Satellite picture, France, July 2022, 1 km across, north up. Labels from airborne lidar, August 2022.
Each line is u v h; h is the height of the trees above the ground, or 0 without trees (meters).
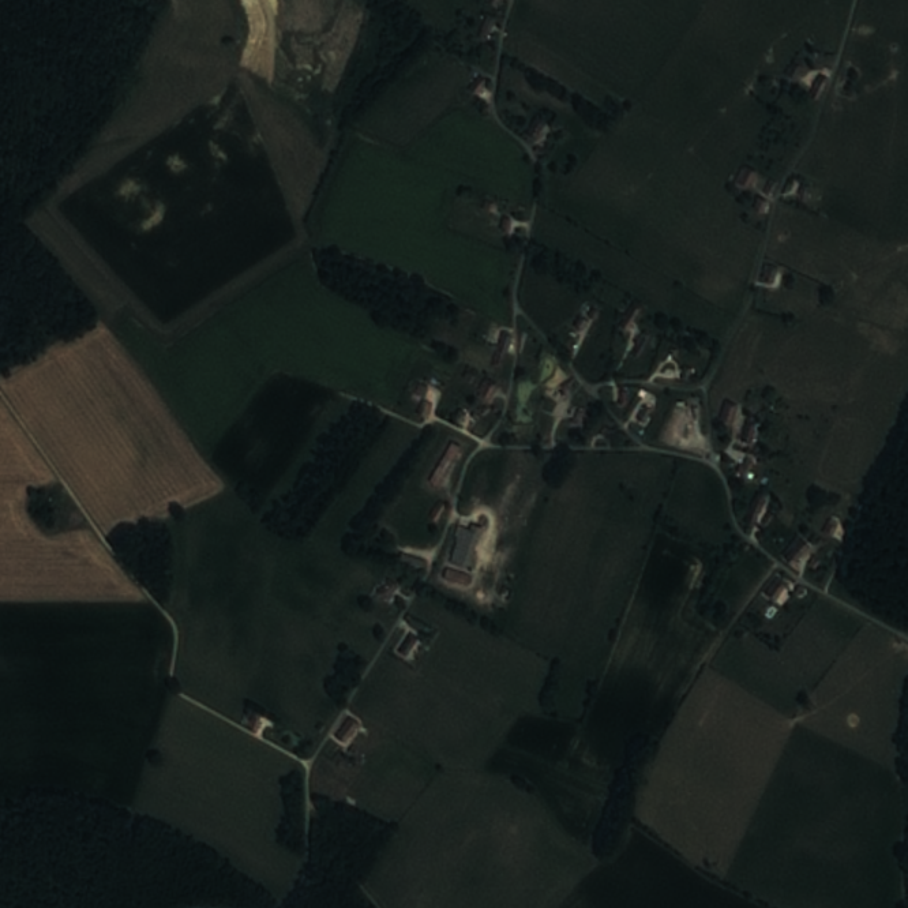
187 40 0
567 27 0
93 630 0
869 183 0
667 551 0
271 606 0
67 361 0
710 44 0
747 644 0
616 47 0
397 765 0
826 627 0
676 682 0
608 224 0
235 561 0
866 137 0
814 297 0
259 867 0
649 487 0
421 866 0
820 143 0
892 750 0
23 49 21
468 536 0
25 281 26
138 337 0
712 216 0
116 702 0
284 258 0
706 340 15
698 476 0
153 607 0
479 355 0
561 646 0
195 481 0
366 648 0
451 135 0
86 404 0
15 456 0
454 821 0
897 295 0
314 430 0
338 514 0
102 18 15
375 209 0
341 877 21
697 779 0
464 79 0
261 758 0
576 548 0
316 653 0
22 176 20
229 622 0
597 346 0
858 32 0
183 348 0
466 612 11
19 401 0
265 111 0
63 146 24
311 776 0
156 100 0
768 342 0
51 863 17
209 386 0
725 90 0
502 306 0
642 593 0
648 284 0
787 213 0
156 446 0
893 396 0
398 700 0
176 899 18
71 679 0
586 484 0
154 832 16
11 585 0
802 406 0
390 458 0
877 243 0
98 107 16
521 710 0
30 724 0
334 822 16
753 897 8
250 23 0
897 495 25
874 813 0
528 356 0
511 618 0
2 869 16
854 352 0
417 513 0
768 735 0
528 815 0
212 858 18
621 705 0
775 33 0
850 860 0
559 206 0
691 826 0
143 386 0
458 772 0
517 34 0
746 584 0
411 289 21
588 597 0
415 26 10
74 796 15
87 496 0
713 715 0
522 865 0
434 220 0
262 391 0
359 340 0
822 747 0
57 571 0
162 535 17
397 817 0
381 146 0
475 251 0
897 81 0
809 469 0
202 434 0
